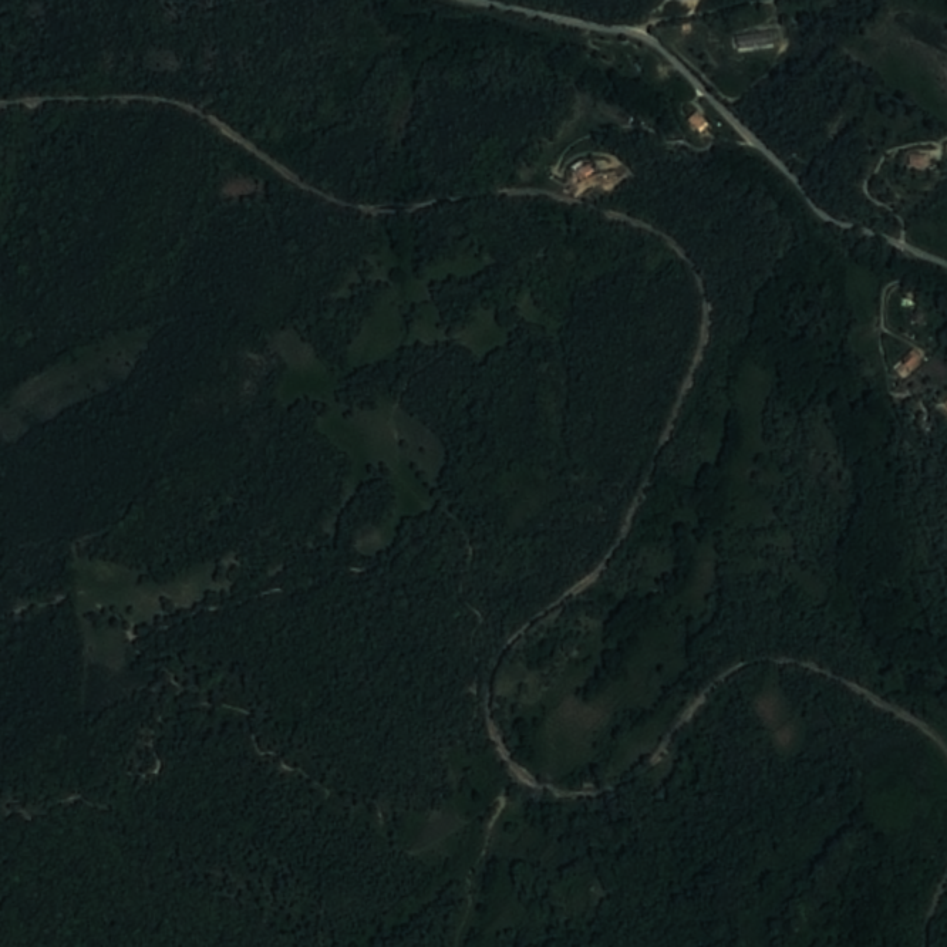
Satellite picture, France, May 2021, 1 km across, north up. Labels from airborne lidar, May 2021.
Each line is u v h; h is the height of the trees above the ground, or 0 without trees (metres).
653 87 13
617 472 11
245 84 10
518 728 15
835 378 25
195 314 11
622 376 7
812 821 15
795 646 13
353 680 13
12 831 13
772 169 8
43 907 12
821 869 20
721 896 19
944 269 12
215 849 12
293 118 11
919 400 11
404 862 10
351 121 10
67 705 6
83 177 8
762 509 0
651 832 14
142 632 11
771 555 8
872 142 11
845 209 10
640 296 10
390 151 16
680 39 0
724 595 16
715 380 15
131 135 6
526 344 6
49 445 10
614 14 10
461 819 0
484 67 19
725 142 14
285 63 9
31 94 8
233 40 15
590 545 8
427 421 7
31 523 6
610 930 14
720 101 7
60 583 7
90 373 0
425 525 12
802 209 7
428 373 7
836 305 5
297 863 9
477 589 8
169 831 11
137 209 6
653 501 9
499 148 11
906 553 18
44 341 6
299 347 0
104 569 0
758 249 12
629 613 24
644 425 11
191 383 5
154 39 7
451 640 6
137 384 9
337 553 11
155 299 6
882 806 0
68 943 8
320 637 9
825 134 13
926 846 12
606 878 15
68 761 7
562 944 15
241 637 10
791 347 21
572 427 11
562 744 0
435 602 8
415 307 10
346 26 12
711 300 10
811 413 17
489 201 9
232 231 7
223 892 13
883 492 25
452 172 9
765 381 0
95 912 13
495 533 8
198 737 7
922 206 10
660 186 7
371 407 9
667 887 11
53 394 0
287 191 8
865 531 25
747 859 14
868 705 12
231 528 11
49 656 7
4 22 18
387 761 12
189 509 11
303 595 11
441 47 8
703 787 12
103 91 12
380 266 6
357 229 9
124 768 8
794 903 13
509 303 11
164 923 14
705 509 22
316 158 12
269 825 11
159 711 10
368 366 9
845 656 16
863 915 18
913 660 19
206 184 9
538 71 20
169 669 15
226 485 11
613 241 8
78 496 8
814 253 26
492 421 10
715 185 17
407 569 7
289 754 13
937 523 11
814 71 14
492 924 0
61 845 12
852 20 14
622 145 19
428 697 7
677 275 10
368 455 0
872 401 22
